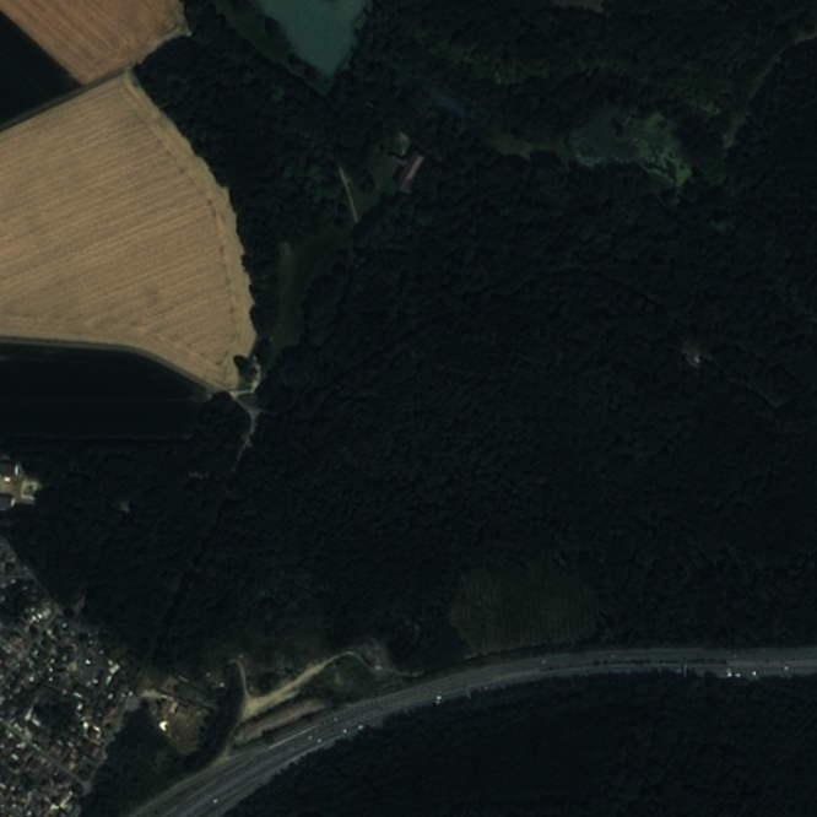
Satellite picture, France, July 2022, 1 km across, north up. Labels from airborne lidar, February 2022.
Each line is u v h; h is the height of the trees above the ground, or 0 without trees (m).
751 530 18
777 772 25
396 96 28
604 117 0
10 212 0
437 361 23
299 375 28
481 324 20
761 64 24
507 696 15
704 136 42
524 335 23
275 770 0
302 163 18
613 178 29
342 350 28
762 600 27
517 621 0
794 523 17
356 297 26
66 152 0
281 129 18
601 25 12
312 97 24
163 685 0
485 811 27
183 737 0
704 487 16
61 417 0
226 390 0
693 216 27
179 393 0
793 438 15
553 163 30
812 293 28
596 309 10
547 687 13
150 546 24
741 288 31
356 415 24
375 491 26
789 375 25
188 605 24
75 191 0
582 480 21
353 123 27
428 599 15
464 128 22
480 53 16
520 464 22
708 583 24
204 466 22
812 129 23
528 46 18
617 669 0
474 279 25
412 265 20
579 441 24
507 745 9
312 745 0
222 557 23
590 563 27
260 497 27
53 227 0
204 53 21
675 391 30
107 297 0
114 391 0
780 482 23
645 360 32
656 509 17
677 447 12
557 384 25
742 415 17
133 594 24
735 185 24
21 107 0
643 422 20
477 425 21
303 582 13
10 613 12
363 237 22
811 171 25
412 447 25
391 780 11
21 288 0
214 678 0
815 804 27
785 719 25
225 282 0
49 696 0
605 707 9
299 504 28
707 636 24
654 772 22
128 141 0
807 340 24
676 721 28
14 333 0
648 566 16
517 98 35
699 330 19
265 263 21
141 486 25
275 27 21
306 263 0
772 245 26
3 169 0
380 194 0
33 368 0
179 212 0
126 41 0
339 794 22
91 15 0
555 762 9
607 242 32
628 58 18
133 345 0
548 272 27
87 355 0
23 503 0
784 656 0
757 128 25
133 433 0
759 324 27
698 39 21
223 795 0
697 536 25
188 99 17
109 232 0
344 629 13
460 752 10
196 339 0
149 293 0
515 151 0
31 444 18
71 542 23
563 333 23
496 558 26
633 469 23
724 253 21
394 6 23
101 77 0
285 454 22
